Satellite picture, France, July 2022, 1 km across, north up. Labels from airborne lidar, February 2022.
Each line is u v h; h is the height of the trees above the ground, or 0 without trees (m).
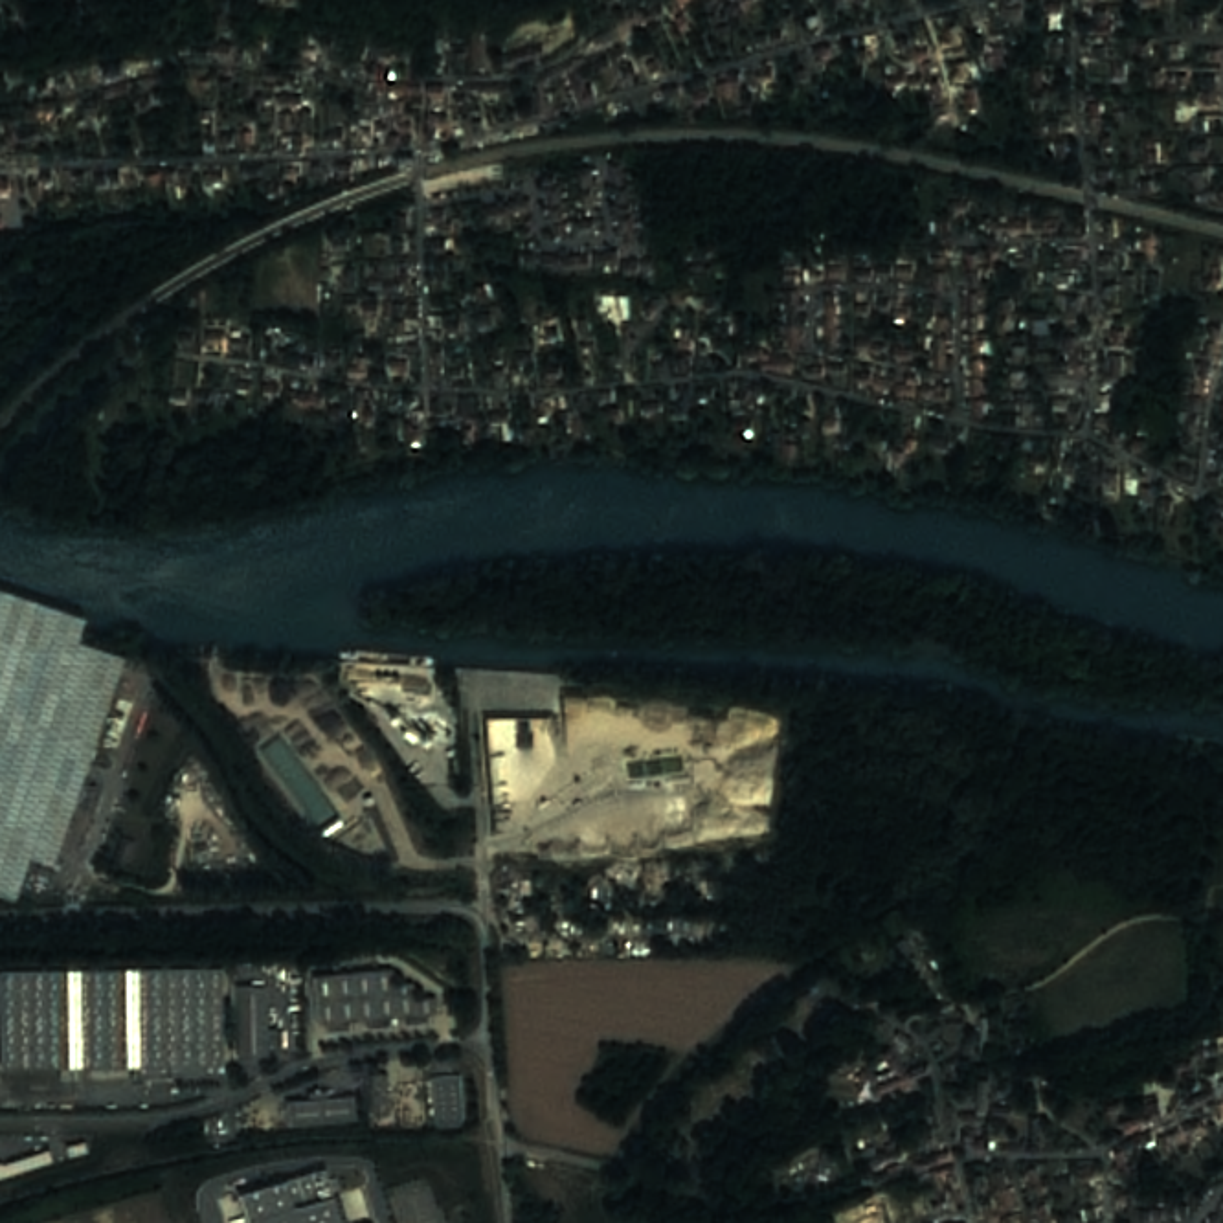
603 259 0
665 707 0
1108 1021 0
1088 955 0
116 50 11
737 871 10
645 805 0
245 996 0
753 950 16
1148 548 6
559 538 0
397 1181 0
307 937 14
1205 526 8
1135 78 9
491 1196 0
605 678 15
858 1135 17
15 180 0
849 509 0
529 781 0
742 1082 0
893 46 0
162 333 22
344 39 6
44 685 0
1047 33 8
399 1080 0
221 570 0
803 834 25
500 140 0
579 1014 0
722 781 0
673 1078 0
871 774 21
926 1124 12
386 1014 0
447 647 0
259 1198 0
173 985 0
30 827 0
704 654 0
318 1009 0
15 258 20
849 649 12
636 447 14
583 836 0
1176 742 9
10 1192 0
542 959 0
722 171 19
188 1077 0
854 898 28
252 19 13
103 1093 0
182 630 0
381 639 0
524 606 18
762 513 0
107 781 0
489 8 9
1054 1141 7
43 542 0
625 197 0
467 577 26
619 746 0
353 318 0
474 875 0
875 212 12
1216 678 16
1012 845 26
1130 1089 8
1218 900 0
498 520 0
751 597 18
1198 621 0
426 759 0
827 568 18
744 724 0
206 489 21
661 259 5
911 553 0
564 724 0
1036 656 17
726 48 6
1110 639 29
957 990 9
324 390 14
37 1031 0
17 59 15
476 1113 7
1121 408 17
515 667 0
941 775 25
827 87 6
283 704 0
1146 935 0
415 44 9
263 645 0
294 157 0
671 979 0
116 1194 0
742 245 16
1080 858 23
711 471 12
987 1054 11
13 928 20
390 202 6
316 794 0
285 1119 0
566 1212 10
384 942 9
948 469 13
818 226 10
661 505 0
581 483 0
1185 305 14
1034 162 11
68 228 14
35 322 14
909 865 25
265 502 25
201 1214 0
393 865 19
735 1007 0
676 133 0
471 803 0
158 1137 8
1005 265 12
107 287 17
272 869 0
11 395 12
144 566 0
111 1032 0
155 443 7
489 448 17
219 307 0
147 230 19
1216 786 20
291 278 0
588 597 20
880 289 0
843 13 6
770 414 8
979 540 0
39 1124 0
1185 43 0
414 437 0
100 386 23
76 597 0
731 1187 20
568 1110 0
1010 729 18
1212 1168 13
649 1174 29
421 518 0
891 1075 0
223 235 22
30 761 0
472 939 11
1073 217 6
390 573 0
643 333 0
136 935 20
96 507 17
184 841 0
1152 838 20
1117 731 17
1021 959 0
